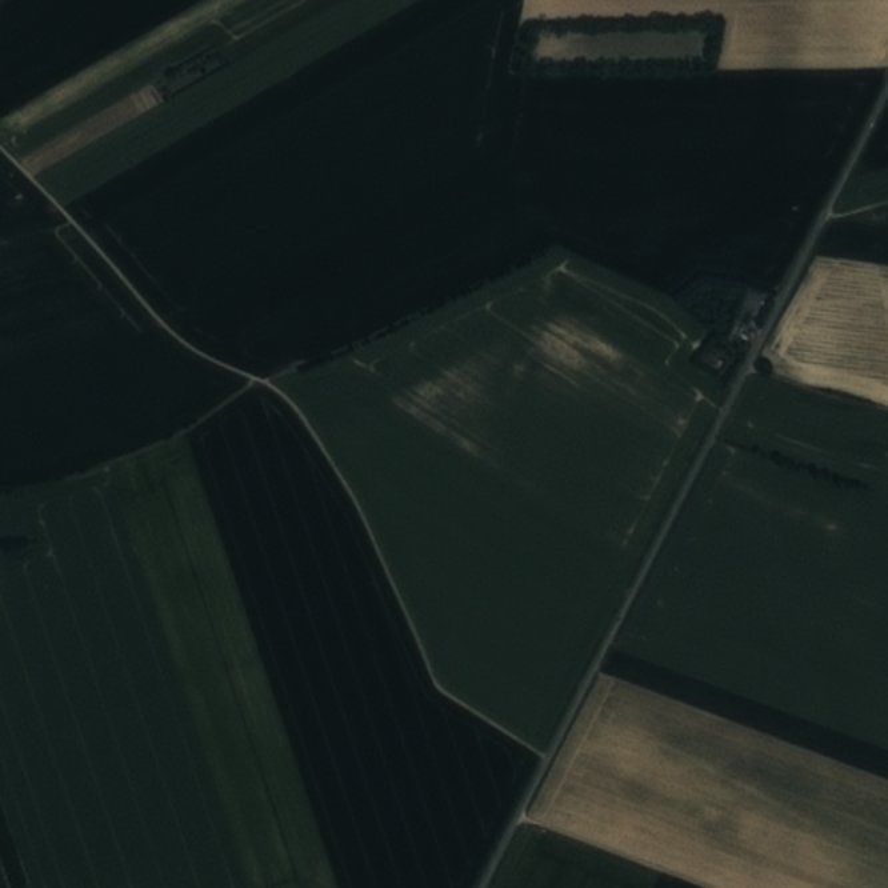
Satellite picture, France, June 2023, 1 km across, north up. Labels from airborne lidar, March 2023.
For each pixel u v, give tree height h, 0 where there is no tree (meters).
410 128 0
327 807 0
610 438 0
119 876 0
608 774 0
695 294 13
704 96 0
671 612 0
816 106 0
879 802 0
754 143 0
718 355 0
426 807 0
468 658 0
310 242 0
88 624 0
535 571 0
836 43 0
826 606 0
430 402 0
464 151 0
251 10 0
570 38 0
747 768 0
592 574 0
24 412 0
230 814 0
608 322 0
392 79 0
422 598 0
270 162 0
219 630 0
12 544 13
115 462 0
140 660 0
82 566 0
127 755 0
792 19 0
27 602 0
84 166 0
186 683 0
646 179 0
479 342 0
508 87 0
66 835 0
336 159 0
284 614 0
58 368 0
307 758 0
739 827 0
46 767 0
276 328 0
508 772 0
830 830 0
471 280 0
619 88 0
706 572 0
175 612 0
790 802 0
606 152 0
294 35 0
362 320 0
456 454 0
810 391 0
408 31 0
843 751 0
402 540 0
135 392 0
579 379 0
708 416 0
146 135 0
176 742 0
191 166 0
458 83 0
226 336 0
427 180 0
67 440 0
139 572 0
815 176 0
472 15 0
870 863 0
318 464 0
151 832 0
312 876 0
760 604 0
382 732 0
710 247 0
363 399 0
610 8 0
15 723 0
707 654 0
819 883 0
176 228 0
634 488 0
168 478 0
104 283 0
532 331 0
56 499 0
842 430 0
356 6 0
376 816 0
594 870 0
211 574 0
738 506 0
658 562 0
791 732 0
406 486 0
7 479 0
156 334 0
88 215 0
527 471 0
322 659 0
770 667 0
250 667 0
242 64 0
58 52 0
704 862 0
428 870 0
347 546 0
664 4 0
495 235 0
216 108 0
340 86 0
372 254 0
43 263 0
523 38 11
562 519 0
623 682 0
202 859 0
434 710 0
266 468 0
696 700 0
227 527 0
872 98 0
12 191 0
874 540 0
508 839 0
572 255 0
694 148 0
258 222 0
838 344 0
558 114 0
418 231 0
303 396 0
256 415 0
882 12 0
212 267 0
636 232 0
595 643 0
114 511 0
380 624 0
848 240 0
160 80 0
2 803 0
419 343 0
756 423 0
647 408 0
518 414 0
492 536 0
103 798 0
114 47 0
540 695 0
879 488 0
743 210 0
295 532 0
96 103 0
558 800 0
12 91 0
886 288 0
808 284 0
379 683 0
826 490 0
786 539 0
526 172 0
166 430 0
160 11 0
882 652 0
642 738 0
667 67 15
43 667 0
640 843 0
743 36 0
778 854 0
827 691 0
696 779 0
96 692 0
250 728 0
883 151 0
